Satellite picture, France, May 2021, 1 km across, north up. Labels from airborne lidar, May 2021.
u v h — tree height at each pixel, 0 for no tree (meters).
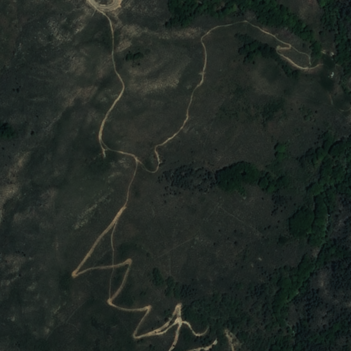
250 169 32
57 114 0
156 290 0
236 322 17
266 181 26
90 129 0
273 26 8
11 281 0
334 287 6
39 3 0
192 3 21
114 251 0
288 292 23
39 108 0
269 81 0
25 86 0
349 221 10
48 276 0
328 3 10
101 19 0
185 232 0
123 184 0
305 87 0
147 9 0
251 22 0
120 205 0
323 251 19
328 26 15
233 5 19
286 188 7
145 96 0
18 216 0
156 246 0
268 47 24
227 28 0
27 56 0
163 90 0
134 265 0
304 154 6
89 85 0
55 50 0
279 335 17
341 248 15
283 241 21
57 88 0
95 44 0
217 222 0
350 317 14
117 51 0
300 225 30
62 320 0
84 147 0
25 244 0
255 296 12
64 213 0
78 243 0
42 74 0
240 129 0
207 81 0
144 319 0
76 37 0
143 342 16
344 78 10
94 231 0
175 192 11
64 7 0
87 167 0
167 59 0
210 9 18
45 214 0
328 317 12
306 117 18
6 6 0
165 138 0
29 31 0
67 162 0
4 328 0
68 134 0
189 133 0
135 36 0
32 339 0
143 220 0
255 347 8
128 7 0
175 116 0
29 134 0
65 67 0
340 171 19
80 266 0
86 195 0
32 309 0
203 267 0
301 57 0
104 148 0
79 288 0
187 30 0
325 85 0
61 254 0
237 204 0
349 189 25
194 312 15
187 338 10
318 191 28
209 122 0
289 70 19
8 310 0
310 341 23
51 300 0
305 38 19
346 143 22
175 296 9
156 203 0
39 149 0
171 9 13
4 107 0
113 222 0
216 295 15
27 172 0
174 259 0
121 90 0
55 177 0
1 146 0
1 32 0
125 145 0
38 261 0
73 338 0
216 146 0
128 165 0
